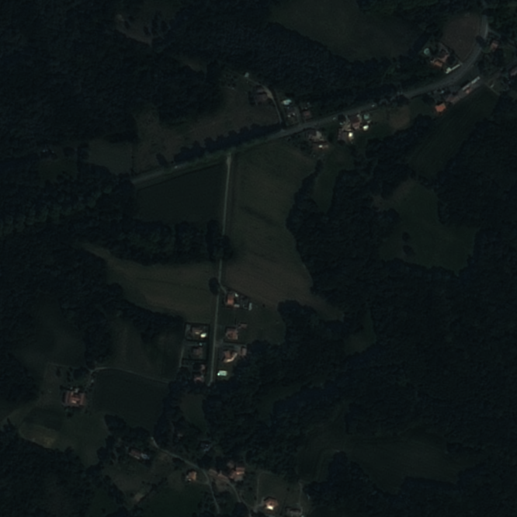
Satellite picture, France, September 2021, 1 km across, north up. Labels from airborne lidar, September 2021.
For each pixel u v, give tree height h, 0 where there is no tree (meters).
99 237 20
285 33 18
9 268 25
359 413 28
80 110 20
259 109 0
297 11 0
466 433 24
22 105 14
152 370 0
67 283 27
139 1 22
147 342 14
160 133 0
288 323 21
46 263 21
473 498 29
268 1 17
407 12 23
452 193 28
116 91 14
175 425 17
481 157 11
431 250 0
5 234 23
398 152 20
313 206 19
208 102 22
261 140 26
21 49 9
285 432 20
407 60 11
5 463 8
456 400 24
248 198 0
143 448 9
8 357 14
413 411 26
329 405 26
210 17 24
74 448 0
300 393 0
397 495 0
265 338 0
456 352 28
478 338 26
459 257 0
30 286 26
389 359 21
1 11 18
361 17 0
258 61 17
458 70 0
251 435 12
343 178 16
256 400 15
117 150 0
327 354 26
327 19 0
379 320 23
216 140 0
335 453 0
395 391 29
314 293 11
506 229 24
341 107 8
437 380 21
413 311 23
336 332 27
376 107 25
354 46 0
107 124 23
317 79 21
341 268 19
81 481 10
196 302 0
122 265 0
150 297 0
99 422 0
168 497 0
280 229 0
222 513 0
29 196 22
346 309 19
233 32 14
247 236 0
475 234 0
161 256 21
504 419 26
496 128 16
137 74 20
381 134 0
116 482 0
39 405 0
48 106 23
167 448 20
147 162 0
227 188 0
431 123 17
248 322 0
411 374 23
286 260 0
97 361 15
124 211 26
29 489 9
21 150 19
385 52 0
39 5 16
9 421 0
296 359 28
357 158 18
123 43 20
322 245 24
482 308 26
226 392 31
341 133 0
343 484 33
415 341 18
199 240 23
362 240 22
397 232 0
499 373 20
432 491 27
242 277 0
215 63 20
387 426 28
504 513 22
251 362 27
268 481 0
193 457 6
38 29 26
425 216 0
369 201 10
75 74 12
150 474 0
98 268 22
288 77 25
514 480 24
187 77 25
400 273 24
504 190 8
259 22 24
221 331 0
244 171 0
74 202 35
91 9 18
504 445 28
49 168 0
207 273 0
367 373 27
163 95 19
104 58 16
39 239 27
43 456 12
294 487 0
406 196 0
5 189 26
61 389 8
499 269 24
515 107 16
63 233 28
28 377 21
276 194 0
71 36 20
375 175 12
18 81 22
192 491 0
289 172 0
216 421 21
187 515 0
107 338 24
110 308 22
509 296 26
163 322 22
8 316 23
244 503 0
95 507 0
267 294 0
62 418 0
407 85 10
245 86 0
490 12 10
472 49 0
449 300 32
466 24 0
